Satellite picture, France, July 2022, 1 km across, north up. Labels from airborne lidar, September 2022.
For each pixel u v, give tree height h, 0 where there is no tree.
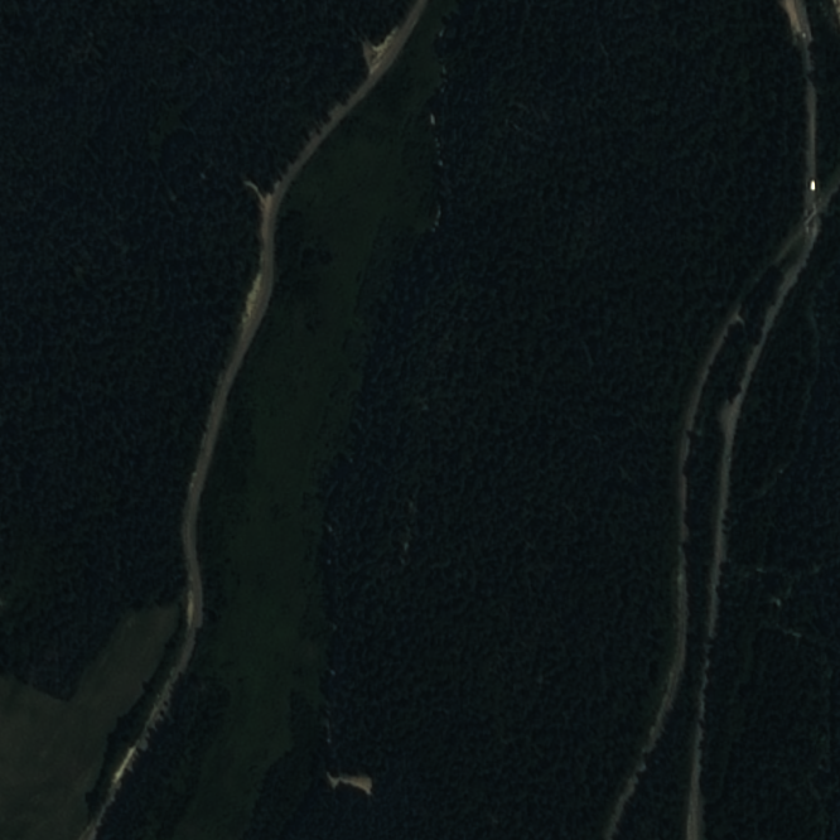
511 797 16
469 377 22
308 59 20
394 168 0
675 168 18
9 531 15
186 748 8
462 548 23
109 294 22
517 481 20
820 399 26
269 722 0
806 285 14
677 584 9
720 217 32
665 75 19
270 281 0
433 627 18
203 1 15
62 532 29
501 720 19
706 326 16
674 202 24
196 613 0
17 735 0
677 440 11
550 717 22
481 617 24
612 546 19
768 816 24
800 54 21
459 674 16
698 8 23
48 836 0
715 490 12
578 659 22
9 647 29
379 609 22
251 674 0
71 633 0
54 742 0
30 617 25
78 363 6
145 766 23
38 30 35
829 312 14
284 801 10
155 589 28
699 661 16
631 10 24
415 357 18
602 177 13
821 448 28
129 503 21
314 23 22
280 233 10
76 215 40
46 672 0
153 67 25
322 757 6
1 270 39
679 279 13
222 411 0
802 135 14
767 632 15
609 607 21
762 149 26
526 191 15
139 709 7
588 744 22
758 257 23
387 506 22
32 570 22
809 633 24
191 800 8
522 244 18
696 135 25
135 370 28
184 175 30
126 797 22
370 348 15
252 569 0
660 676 6
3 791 0
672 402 21
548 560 23
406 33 0
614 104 19
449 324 17
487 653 22
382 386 20
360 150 0
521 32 18
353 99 0
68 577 29
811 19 9
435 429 16
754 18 38
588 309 24
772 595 17
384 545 19
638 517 20
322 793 24
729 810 13
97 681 0
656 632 28
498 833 16
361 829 22
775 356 11
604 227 13
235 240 13
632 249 23
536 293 25
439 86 0
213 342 13
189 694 24
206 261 24
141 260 30
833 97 12
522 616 14
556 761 21
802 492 25
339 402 6
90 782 0
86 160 32
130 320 18
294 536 0
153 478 31
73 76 31
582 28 14
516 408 23
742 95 32
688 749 17
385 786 23
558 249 18
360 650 23
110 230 38
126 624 0
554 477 20
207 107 29
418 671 18
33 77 39
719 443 11
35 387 21
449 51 22
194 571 0
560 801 21
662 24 23
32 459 15
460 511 18
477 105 21
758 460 6
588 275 19
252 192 5
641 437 25
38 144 34
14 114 39
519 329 25
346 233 0
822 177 13
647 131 21
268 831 17
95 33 30
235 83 30
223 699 8
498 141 13
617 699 19
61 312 26
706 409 13
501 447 14
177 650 7
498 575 25
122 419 38
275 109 16
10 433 33
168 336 23
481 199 24
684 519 0
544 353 25
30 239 40
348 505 20
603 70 26
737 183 21
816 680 36
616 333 24
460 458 20
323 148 8
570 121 17
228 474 7
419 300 19
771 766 21
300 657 0
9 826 0
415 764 19
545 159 19
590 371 29
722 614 15
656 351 19
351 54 28
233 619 0
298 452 0
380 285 8
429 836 16
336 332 0
